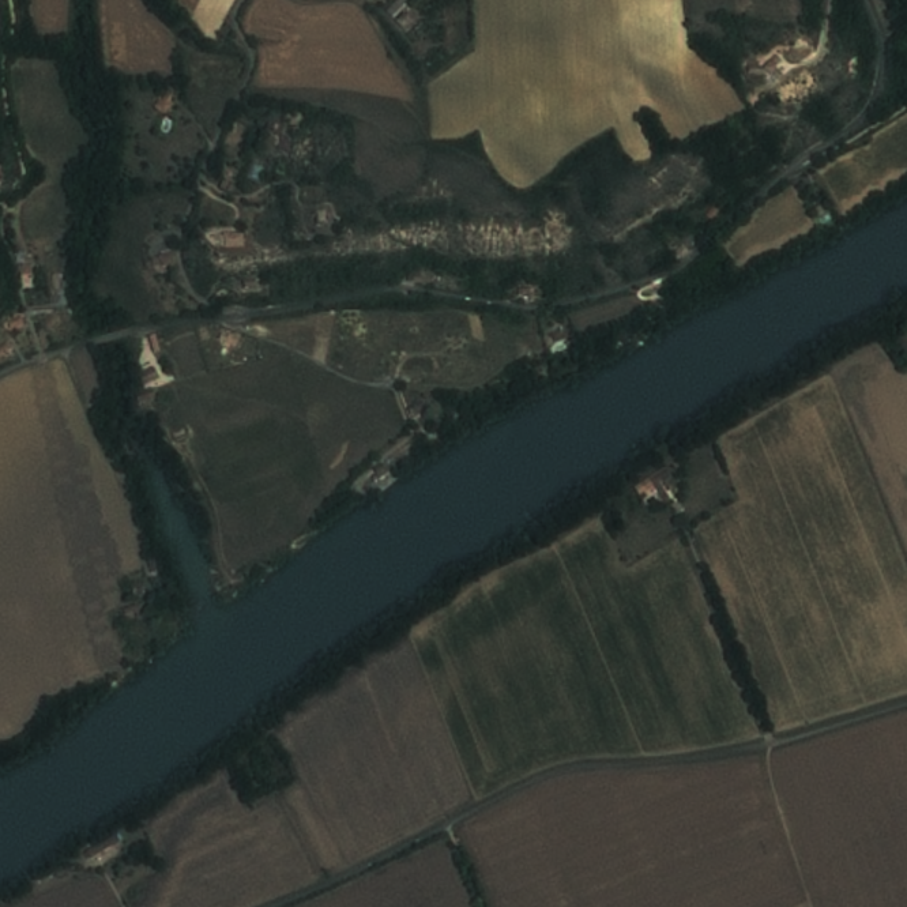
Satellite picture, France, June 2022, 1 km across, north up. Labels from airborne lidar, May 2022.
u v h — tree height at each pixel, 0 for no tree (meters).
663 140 11
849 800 0
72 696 11
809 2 14
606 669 0
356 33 0
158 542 21
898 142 0
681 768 0
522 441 0
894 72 8
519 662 0
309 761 0
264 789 7
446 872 0
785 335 0
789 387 21
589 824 0
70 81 15
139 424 19
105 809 0
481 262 11
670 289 9
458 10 0
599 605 0
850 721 0
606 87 0
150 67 0
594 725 0
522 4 0
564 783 0
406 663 0
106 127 25
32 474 0
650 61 0
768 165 10
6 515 0
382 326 0
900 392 0
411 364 0
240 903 0
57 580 0
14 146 7
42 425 0
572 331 10
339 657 21
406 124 0
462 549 0
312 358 0
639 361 0
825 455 0
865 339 16
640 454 11
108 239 8
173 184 8
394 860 6
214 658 0
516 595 0
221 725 0
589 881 0
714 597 13
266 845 0
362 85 0
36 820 0
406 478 17
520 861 0
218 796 0
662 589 0
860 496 0
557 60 0
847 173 0
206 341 0
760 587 0
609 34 0
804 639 0
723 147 11
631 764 0
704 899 0
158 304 0
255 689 0
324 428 0
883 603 0
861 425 0
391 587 0
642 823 0
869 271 0
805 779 0
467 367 0
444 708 0
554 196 8
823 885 0
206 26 0
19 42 17
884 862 0
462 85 0
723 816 0
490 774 0
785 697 0
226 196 9
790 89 0
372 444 0
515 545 20
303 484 0
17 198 11
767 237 0
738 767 0
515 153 0
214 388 0
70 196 11
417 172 0
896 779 0
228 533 0
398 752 0
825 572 0
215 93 0
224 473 0
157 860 8
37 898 0
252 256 0
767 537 0
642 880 0
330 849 0
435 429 18
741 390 27
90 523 0
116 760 0
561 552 0
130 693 0
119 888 0
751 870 0
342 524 0
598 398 0
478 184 0
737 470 0
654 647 0
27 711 0
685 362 0
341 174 11
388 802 0
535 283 10
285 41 0
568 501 18
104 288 0
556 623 0
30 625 0
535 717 0
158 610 12
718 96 0
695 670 0
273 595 0
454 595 9
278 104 9
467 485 0
